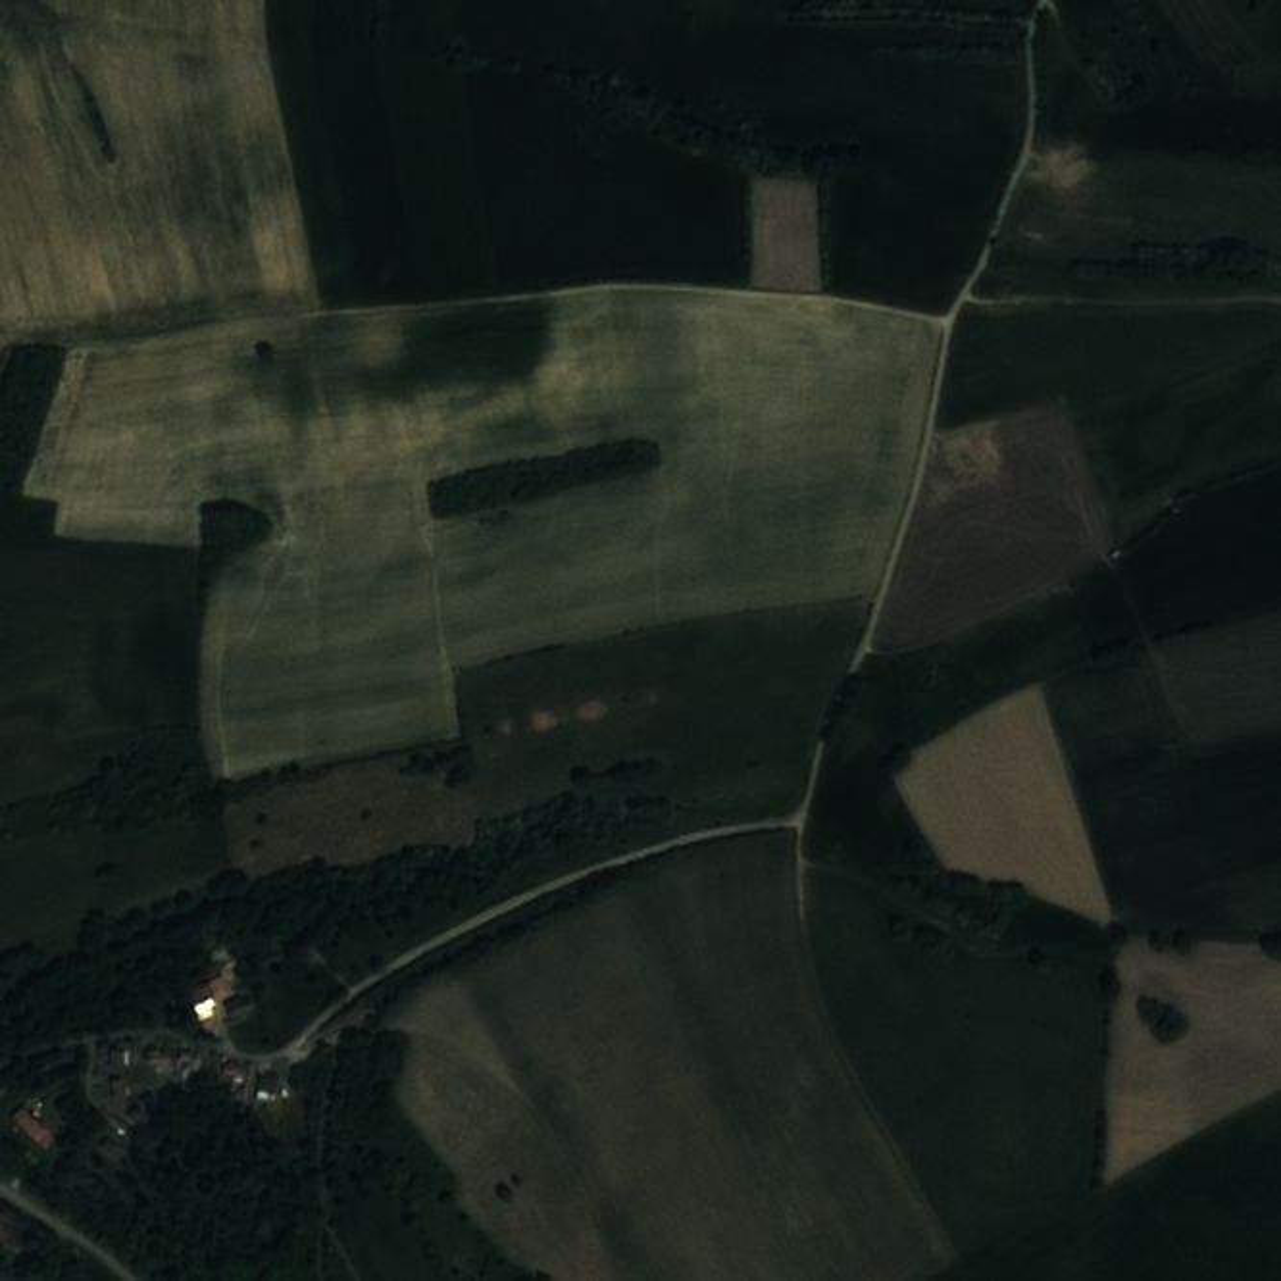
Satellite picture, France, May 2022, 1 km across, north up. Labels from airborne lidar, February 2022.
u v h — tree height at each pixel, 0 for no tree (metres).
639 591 0
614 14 0
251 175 0
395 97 0
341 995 8
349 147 0
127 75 0
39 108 0
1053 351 0
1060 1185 0
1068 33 0
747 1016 0
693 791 0
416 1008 0
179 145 0
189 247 0
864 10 8
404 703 0
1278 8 0
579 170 0
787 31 0
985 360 0
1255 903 0
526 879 0
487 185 0
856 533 0
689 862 0
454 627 0
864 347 0
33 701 0
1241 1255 0
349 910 19
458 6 0
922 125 0
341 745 0
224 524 18
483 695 0
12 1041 19
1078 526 0
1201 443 0
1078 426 0
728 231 0
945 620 0
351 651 0
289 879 7
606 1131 0
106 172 0
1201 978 0
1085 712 0
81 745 0
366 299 0
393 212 0
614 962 0
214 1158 12
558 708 0
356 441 0
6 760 0
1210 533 0
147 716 0
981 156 0
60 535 0
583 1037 0
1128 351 0
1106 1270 0
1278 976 0
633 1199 0
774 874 0
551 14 0
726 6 0
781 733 0
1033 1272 0
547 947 0
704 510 0
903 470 0
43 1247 17
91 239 0
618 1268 0
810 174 11
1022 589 0
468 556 0
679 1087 0
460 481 8
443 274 0
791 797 0
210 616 0
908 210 0
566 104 0
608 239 0
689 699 0
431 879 22
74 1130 10
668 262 0
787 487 0
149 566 0
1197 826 0
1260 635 0
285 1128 0
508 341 0
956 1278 0
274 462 0
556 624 0
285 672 0
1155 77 0
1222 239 0
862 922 0
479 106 0
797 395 0
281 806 0
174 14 0
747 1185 0
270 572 0
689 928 0
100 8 0
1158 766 0
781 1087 0
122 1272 0
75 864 0
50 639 0
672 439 0
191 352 0
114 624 0
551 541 0
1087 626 0
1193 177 0
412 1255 0
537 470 8
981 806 0
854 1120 0
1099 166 0
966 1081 0
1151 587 0
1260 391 0
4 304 0
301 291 0
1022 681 0
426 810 0
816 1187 0
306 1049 0
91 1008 17
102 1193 20
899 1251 0
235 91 0
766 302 0
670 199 0
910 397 0
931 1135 0
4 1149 8
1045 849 0
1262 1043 0
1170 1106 0
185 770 10
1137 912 0
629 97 8
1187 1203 0
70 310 0
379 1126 9
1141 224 0
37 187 0
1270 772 0
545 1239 0
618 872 6
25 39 0
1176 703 0
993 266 0
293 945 14
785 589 0
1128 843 0
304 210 0
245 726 0
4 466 7
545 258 0
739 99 0
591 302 0
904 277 0
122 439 0
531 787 0
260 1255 13
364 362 0
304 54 0
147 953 8
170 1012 13
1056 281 0
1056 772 0
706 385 0
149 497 0
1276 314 0
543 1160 0
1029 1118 0
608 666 0
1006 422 0
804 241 0
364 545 0
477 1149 0
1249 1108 0
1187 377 0
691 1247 0
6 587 0
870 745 0
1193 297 0
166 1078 0
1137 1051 0
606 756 0
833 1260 0
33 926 0
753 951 0
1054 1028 0
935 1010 0
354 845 0
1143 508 0
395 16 0
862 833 0
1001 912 7
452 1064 0
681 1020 0
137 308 0
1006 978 0
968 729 0
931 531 0
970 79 0
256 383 0
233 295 0
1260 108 0
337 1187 13
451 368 0
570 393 0
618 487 0
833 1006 0
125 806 6
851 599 0
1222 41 0
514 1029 0
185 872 0
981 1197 0
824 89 0
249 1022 0
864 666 0
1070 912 0
